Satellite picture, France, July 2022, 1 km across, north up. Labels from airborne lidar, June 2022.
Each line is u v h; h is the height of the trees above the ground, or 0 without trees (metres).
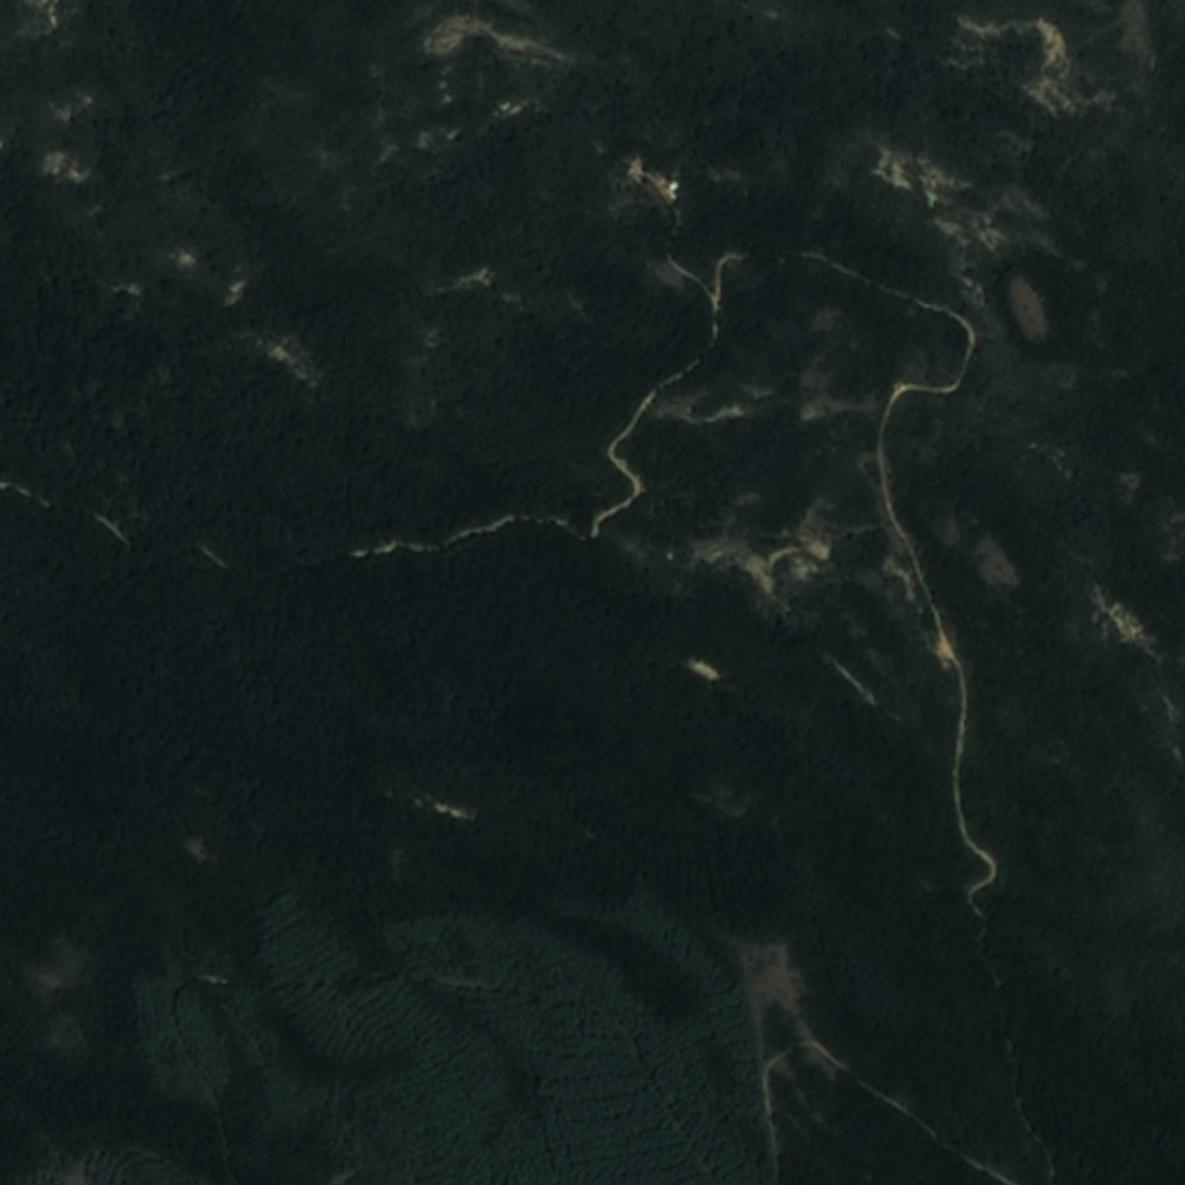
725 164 6
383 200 5
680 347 10
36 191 6
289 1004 13
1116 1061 8
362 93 7
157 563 14
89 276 8
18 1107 6
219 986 6
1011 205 0
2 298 11
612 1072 13
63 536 14
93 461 12
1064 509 6
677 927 10
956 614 6
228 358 9
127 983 8
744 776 6
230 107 7
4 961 8
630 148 9
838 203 6
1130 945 12
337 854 14
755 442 7
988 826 8
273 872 7
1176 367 14
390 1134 14
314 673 10
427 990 11
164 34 8
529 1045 17
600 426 6
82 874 10
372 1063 13
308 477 8
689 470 8
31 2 0
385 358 9
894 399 0
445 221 7
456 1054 10
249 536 15
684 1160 12
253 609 15
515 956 14
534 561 8
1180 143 8
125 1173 10
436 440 11
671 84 7
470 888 12
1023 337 6
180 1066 11
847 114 7
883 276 9
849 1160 6
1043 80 0
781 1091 7
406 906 9
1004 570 0
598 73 5
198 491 14
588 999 13
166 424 11
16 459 8
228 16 10
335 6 7
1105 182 7
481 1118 10
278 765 15
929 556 6
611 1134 14
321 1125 9
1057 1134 13
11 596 11
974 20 0
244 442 8
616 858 12
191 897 9
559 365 8
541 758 14
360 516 9
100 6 6
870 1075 9
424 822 10
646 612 7
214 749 17
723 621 9
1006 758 7
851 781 7
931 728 6
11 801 12
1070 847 6
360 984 11
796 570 0
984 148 6
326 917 10
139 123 8
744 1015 13
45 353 13
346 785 15
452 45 0
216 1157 9
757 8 0
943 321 8
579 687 10
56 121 0
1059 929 11
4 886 8
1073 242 5
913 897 6
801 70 10
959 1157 7
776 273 6
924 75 7
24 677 8
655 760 16
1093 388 7
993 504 8
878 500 0
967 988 10
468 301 6
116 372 16
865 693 0
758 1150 11
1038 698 7
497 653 10
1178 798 11
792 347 6
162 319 9
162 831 12
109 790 18
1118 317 7
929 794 13
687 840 8
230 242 6
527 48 0
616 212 0
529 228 7
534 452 5
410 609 15
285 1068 10
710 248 6
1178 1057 8
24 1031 6
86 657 14
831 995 9
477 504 12
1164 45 6
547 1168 11
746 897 8
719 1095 14
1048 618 9
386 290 9
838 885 9
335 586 15
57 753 15
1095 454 6
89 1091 12
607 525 6
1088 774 7
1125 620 0
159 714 12
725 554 0
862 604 7
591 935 11
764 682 7
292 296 10
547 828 7
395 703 13
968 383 8
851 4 7
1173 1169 11
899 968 10
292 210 6
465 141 8
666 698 6
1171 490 7
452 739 12
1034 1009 15
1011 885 7
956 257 0
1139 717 8
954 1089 7
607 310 7
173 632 12
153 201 6
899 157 0
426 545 6
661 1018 10
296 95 0
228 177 7
